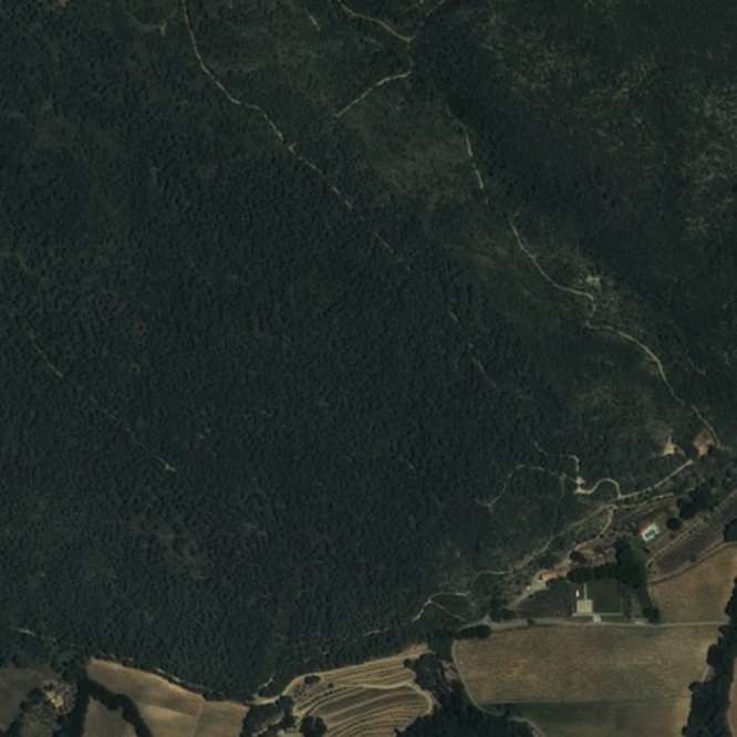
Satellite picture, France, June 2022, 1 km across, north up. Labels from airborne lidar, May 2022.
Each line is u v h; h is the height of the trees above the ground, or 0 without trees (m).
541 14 5
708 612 0
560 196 17
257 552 12
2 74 13
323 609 16
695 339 6
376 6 8
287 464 10
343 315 13
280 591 11
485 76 9
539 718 0
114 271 8
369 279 9
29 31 8
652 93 6
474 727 19
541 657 0
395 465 14
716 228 8
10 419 11
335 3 9
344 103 7
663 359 7
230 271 8
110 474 12
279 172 8
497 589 8
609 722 0
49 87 11
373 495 13
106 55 11
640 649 0
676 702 0
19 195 14
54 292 14
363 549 13
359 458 14
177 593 9
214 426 16
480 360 14
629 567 30
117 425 13
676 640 0
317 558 12
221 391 13
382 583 13
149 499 15
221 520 12
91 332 14
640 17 6
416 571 11
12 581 9
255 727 20
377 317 15
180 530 14
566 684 0
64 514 12
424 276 13
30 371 10
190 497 17
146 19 10
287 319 14
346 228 13
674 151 6
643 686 0
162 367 14
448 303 12
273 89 7
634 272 6
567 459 12
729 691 10
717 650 16
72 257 10
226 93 8
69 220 5
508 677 0
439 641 17
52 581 11
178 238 10
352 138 7
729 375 7
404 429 18
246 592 14
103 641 11
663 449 9
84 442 12
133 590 11
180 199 11
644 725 0
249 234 17
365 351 13
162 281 9
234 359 17
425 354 17
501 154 7
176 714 0
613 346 6
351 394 10
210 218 15
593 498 8
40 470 9
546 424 13
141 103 14
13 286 14
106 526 6
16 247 8
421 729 21
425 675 14
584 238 6
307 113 7
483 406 18
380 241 12
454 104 7
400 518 12
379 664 0
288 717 14
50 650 14
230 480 14
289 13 10
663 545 0
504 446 15
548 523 9
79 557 6
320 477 14
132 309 14
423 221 12
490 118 6
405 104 9
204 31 8
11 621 11
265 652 14
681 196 7
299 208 12
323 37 6
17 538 9
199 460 12
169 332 13
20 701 0
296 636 13
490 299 10
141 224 7
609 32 6
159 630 10
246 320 6
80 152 9
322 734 15
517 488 10
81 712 16
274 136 6
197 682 9
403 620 12
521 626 0
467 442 14
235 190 13
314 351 14
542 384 13
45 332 13
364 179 10
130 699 11
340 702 0
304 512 12
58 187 12
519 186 15
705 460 13
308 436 14
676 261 5
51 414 12
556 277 9
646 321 6
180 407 15
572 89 5
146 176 9
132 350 14
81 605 10
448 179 9
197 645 10
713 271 6
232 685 10
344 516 16
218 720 0
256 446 14
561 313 6
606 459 8
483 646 0
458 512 9
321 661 15
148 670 16
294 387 10
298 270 14
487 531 6
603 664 0
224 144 12
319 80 7
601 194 7
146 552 12
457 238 7
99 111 11
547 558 8
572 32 5
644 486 8
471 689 0
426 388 8
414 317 15
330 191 13
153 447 13
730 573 0
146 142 9
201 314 13
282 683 11
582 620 0
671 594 0
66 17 9
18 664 16
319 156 9
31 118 11
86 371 16
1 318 14
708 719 18
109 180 6
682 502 14
